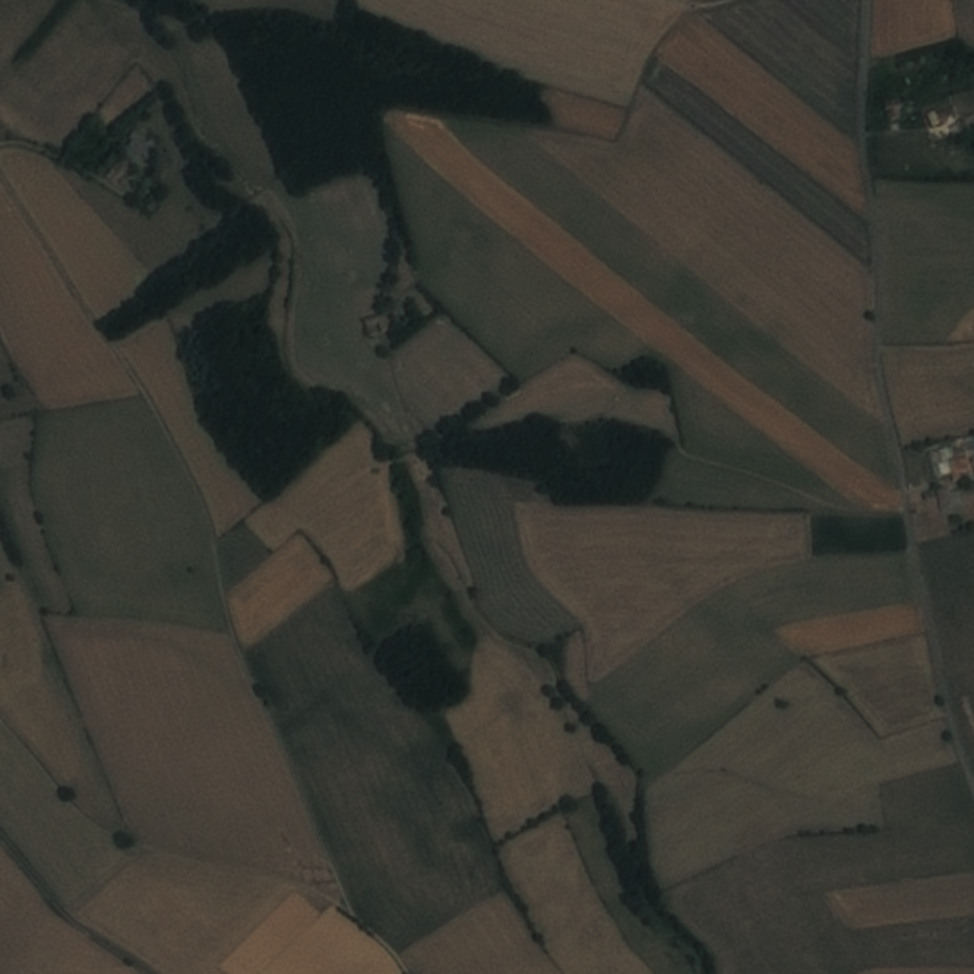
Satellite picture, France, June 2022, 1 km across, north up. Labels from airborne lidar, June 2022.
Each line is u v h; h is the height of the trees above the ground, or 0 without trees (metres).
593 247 0
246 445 16
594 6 0
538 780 0
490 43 0
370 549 0
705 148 0
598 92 0
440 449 7
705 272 0
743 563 0
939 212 0
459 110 16
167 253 0
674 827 0
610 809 23
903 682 0
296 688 0
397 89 18
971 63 7
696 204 0
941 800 0
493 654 0
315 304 0
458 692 19
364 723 0
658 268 0
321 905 0
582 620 0
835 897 0
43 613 9
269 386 22
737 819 0
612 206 0
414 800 0
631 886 18
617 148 0
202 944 0
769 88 0
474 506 0
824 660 0
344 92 13
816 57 0
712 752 0
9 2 0
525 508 0
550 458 24
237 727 0
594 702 0
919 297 0
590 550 0
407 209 0
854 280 0
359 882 0
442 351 0
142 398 0
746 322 0
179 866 0
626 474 15
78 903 0
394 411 0
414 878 0
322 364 0
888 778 0
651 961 0
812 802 0
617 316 0
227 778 0
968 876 0
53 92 0
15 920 0
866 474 0
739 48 0
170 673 0
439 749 0
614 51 0
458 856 0
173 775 0
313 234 0
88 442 0
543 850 0
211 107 0
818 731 0
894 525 0
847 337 0
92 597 0
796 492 0
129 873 0
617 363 0
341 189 0
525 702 0
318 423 16
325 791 0
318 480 0
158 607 0
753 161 0
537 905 0
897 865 0
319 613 0
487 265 0
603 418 7
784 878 0
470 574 0
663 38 0
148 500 0
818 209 0
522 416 0
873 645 0
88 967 0
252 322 9
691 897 0
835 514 0
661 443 14
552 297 0
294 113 13
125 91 0
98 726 0
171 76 0
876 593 0
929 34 0
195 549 0
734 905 0
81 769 0
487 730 0
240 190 0
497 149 0
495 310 0
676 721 0
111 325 13
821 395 0
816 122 0
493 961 0
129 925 0
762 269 0
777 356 0
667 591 0
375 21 10
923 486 0
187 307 0
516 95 18
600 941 0
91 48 0
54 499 0
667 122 0
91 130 13
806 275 0
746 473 0
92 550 0
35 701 0
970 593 0
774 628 0
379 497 0
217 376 19
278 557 0
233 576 0
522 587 0
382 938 0
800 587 0
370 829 0
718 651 0
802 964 0
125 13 0
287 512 0
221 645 0
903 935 0
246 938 0
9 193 0
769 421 0
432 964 0
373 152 14
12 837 0
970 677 0
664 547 0
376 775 0
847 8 0
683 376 0
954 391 0
